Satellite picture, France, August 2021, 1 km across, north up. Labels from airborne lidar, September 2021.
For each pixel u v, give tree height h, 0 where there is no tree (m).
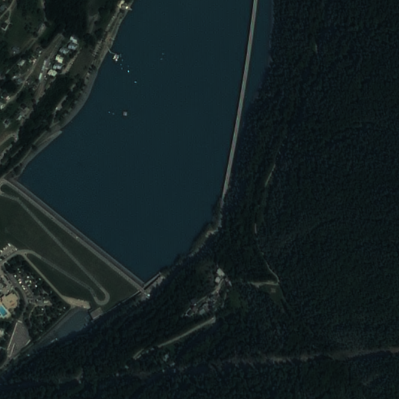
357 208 25
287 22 28
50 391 11
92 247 0
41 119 8
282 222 20
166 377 24
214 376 31
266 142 19
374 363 19
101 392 24
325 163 25
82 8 25
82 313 0
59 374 32
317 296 23
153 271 0
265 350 32
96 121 0
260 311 18
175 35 0
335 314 21
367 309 13
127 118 0
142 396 34
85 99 0
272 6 0
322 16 8
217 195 0
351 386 16
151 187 0
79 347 23
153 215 0
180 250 0
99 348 10
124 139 0
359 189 28
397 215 20
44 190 0
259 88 0
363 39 28
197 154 0
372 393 9
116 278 0
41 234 0
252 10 0
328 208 25
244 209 13
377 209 25
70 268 0
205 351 24
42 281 8
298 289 21
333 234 29
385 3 27
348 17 30
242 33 0
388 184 26
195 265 14
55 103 7
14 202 0
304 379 28
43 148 0
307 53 22
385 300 22
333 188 31
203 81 0
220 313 12
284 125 29
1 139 0
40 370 33
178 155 0
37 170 0
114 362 21
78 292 0
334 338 15
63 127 0
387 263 22
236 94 0
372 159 25
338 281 17
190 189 0
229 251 22
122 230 0
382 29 33
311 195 26
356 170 26
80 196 0
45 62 0
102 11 18
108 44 0
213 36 0
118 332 9
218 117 0
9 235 0
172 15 0
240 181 9
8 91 8
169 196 0
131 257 0
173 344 0
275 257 15
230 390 27
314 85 26
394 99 27
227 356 23
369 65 26
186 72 0
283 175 17
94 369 27
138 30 0
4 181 0
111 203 0
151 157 0
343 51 27
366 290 23
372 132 28
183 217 0
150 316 20
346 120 33
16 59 15
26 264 10
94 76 0
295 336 34
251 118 18
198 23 0
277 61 20
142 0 0
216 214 9
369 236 22
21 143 14
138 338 32
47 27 12
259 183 22
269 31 0
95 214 0
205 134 0
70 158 0
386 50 28
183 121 0
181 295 11
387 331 19
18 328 0
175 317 21
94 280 0
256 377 28
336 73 24
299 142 14
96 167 0
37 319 12
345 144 29
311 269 25
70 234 0
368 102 29
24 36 0
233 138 0
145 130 0
